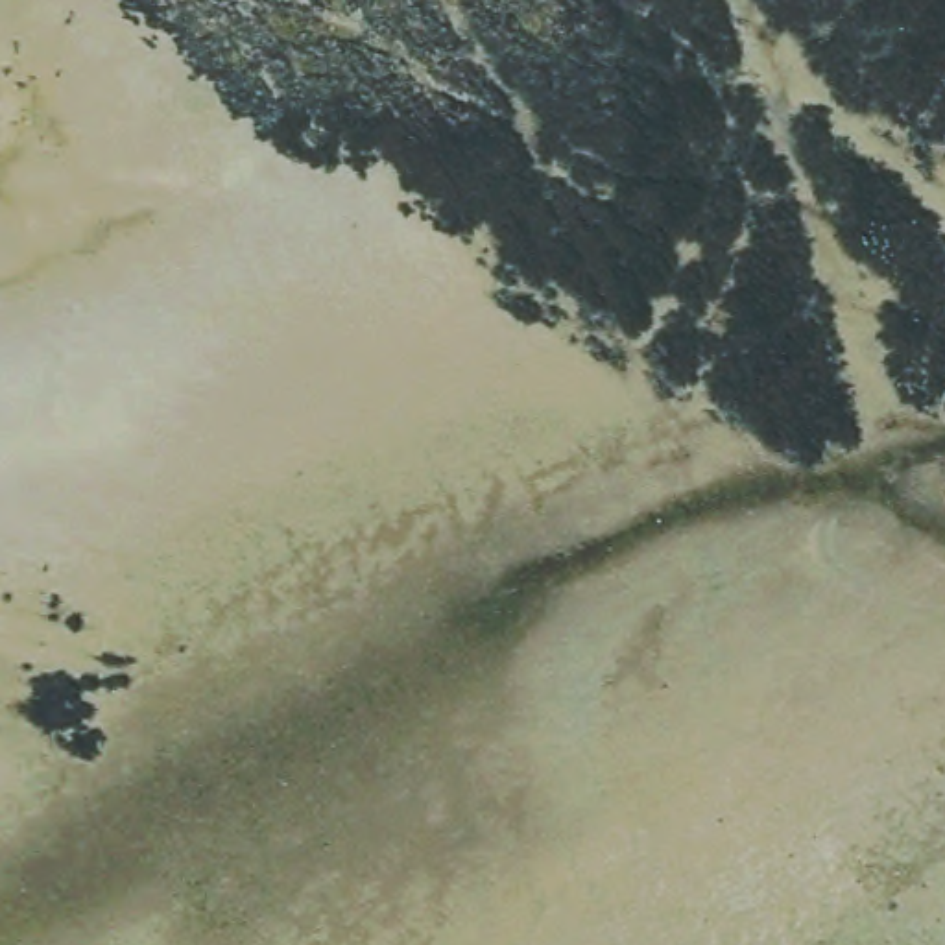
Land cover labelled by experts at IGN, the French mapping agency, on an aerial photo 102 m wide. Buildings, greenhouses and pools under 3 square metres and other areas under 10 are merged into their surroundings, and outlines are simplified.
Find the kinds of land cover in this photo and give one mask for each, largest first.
<instances>
[{"label":"bare soil","instance_id":"1","mask_svg":"<svg viewBox=\"0 0 945 945\"><path fill-rule=\"evenodd\" d=\"M742 44V81L753 85L764 100L768 118L760 122V133L772 140L775 155L790 170V181L783 188H757L753 181H742V192L749 203H786L790 196H797L801 225L812 240V273L834 295V329L842 336L845 358L842 377L853 391L860 421L856 447L827 443L816 465H801L779 450H768L753 432L727 425V410L709 399L705 384L679 388L657 365L646 362V347L661 336L679 299H653L646 329L639 336H628L613 314L580 306L576 295H568L557 281H495V236L487 229H476L473 236L458 240L432 229V199L406 192L399 185L395 166L373 162L365 173H354L351 166L317 170L281 155L269 144L284 114H336L343 107H354L362 118H395V111L417 89L484 107L487 96L443 81L454 59L476 63L487 81H495L509 96L517 133L524 137V144L535 140L539 133L528 100L498 74L495 59L484 52L476 30L461 11V0H0V945H945V406L934 402L915 410L897 399L893 380L886 377V347L879 340V306L893 299V284L875 277L871 266L853 262L842 251L831 229L838 221V203L816 199L790 137V122L808 103L823 107L834 137H845L864 159H875L886 170L901 173L912 196L938 214L945 233V144H930L919 137L908 140L904 126L882 114L845 111L838 96L827 89V81L808 70L801 44L790 33H775L753 0H724ZM48 672L129 676V687L122 690L85 694V701L92 705L89 724L103 735L96 757H74L59 749L41 727H33L22 716V701L30 698L33 679ZM487 11L517 15V22L543 44L565 37L557 0H484Z\"/></svg>","mask_w":945,"mask_h":945},{"label":"herbaceous vegetation","instance_id":"2","mask_svg":"<svg viewBox=\"0 0 945 945\"><path fill-rule=\"evenodd\" d=\"M565 37L543 44L517 22V15L487 11L484 0H461V11L476 30L484 52L495 59L498 74L528 100L539 133L535 140L524 144V137L517 133L509 96L495 81H487L476 63L454 59L443 81L487 96L484 107L417 89L395 111V118H362L354 107H343L336 114H284L269 144L281 155L317 170L351 166L354 173H365L373 162L395 166L399 185L406 192L432 199V229L458 240L473 236L476 229H487L495 236V281H557L568 295H576L580 306L613 314L628 336H639L646 329L653 299H679L661 336L646 347V362L657 365L679 388L705 384L709 399L727 410V425L753 432L768 450H779L801 465H816L827 443L856 447L860 421L853 391L842 377L845 358L842 336L834 329V295L812 273V240L801 225L797 196H790L786 203H749L742 192V181H753L757 188H783L790 181V170L775 155L772 140L760 133V122L768 118L764 100L753 85L742 81V44L724 0H557ZM775 33H790L801 44L808 70L827 81V89L838 96L845 111L882 114L904 126L908 140L919 137L930 144H945V0H753ZM790 137L816 199L838 203V221L831 229L842 251L853 262L871 266L875 277L893 284V299L879 306V340L886 347V377L893 380L897 399L915 410L934 402L945 406V233L938 214L912 196L901 173L886 170L875 159H864L845 137H834L823 107L808 103L790 122ZM129 687V676L48 672L33 679L30 698L22 701V716L33 727H41L59 749L74 757H96L103 735L89 724L92 705L85 701V694L122 690Z\"/></svg>","mask_w":945,"mask_h":945}]
</instances>
